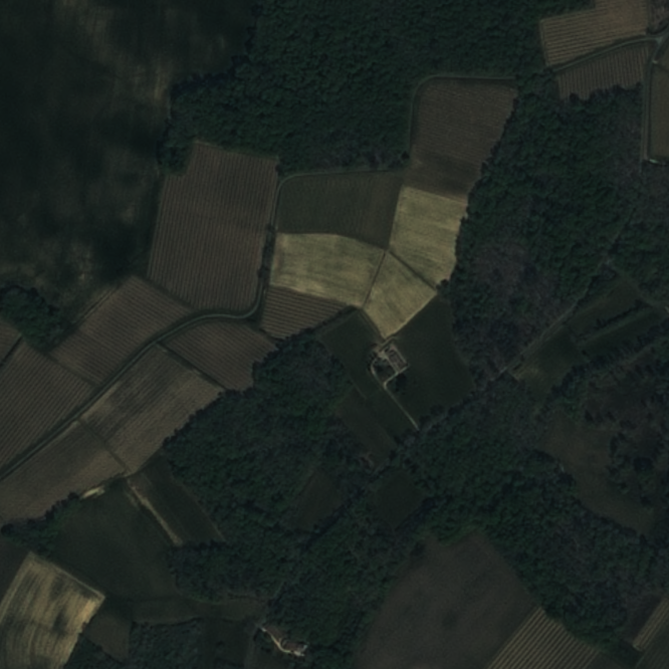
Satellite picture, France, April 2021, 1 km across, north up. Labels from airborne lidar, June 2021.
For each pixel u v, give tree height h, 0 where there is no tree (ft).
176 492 0
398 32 67
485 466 75
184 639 21
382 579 55
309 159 52
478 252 52
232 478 79
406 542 57
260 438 37
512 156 57
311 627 81
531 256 41
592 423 60
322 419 78
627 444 61
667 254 63
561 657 0
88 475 0
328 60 83
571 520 53
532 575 55
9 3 0
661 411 90
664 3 0
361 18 74
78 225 0
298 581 68
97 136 0
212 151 0
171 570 24
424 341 0
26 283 0
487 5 70
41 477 0
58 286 0
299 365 73
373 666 0
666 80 0
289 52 74
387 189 0
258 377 53
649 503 65
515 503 88
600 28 0
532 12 66
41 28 0
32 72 0
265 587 61
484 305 35
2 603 0
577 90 0
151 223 0
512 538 73
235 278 0
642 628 0
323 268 0
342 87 65
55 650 0
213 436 70
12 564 0
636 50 0
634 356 86
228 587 64
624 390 69
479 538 0
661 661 0
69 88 0
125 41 0
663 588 53
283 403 83
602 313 0
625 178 43
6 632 0
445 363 0
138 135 0
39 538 65
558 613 81
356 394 0
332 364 58
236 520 73
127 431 0
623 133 39
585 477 0
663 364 56
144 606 0
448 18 74
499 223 55
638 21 0
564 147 60
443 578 0
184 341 0
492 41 66
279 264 0
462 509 71
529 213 62
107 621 0
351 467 69
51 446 0
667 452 75
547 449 0
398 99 77
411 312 0
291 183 0
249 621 40
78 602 0
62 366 0
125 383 0
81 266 0
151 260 0
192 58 0
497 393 61
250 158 0
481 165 0
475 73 54
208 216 0
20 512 0
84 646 20
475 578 0
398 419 0
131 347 0
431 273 0
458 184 0
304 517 0
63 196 0
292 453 72
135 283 0
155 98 0
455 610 0
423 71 48
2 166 0
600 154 59
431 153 0
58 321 45
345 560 80
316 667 44
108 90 0
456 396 0
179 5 0
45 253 0
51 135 0
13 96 0
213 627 0
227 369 0
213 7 0
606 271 40
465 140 0
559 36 0
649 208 58
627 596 74
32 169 0
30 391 0
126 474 0
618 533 49
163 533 0
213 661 0
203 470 82
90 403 0
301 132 64
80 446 0
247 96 75
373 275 0
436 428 50
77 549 0
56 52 0
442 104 0
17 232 0
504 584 0
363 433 0
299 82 75
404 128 58
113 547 0
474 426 68
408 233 0
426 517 61
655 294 70
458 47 62
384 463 0
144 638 30
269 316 0
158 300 0
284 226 0
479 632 0
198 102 67
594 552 62
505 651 0
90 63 0
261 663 0
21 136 0
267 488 56
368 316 0
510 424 61
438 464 76
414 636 0
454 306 32
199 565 66
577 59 0
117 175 0
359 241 0
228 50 0
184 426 0
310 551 78
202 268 0
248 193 0
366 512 78
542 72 40
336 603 79
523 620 0
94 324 0
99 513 0
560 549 70
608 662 0
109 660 35
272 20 72
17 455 0
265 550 69
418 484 49
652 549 79
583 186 69
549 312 64
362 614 23
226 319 0
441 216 0
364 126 66
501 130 0
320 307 0
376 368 34
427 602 0
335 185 0
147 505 0
